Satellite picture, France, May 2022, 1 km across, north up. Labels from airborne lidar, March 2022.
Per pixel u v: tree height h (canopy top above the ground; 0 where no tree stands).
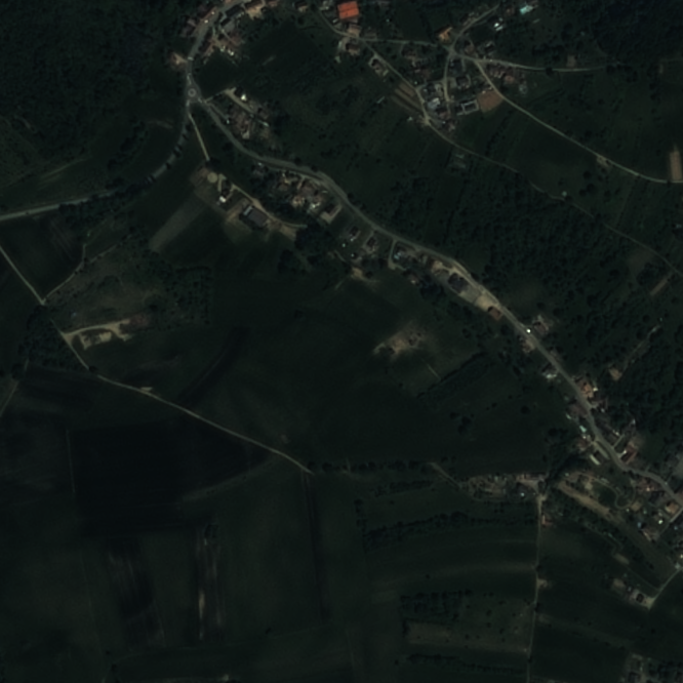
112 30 23
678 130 0
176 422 0
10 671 0
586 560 0
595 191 13
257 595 0
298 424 0
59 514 0
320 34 0
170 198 0
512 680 0
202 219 0
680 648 0
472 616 0
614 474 10
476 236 13
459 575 0
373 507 0
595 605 0
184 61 0
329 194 0
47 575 0
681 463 0
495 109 0
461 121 0
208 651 0
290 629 0
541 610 10
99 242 0
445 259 0
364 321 0
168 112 0
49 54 20
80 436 0
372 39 0
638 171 0
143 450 0
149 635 0
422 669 0
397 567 0
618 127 0
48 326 11
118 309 0
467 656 0
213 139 0
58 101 29
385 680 0
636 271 0
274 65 0
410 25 0
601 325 14
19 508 0
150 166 0
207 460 0
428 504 0
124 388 0
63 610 0
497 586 0
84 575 0
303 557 0
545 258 11
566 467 13
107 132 0
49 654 0
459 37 0
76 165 0
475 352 0
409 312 0
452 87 0
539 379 0
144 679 0
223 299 0
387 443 0
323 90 0
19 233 0
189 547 0
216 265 0
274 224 0
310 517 0
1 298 0
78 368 10
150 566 0
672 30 20
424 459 0
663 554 0
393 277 0
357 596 0
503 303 0
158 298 0
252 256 0
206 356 0
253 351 0
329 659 0
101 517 0
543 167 0
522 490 0
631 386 6
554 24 0
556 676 0
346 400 0
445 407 0
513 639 0
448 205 0
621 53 17
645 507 0
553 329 0
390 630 0
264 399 0
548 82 0
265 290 0
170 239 0
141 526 0
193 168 0
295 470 0
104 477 0
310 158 0
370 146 0
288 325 0
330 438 0
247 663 0
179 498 0
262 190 8
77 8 19
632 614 0
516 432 0
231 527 0
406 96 0
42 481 0
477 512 0
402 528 13
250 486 0
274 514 0
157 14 12
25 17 21
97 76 24
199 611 0
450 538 0
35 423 0
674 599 0
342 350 0
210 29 0
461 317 11
